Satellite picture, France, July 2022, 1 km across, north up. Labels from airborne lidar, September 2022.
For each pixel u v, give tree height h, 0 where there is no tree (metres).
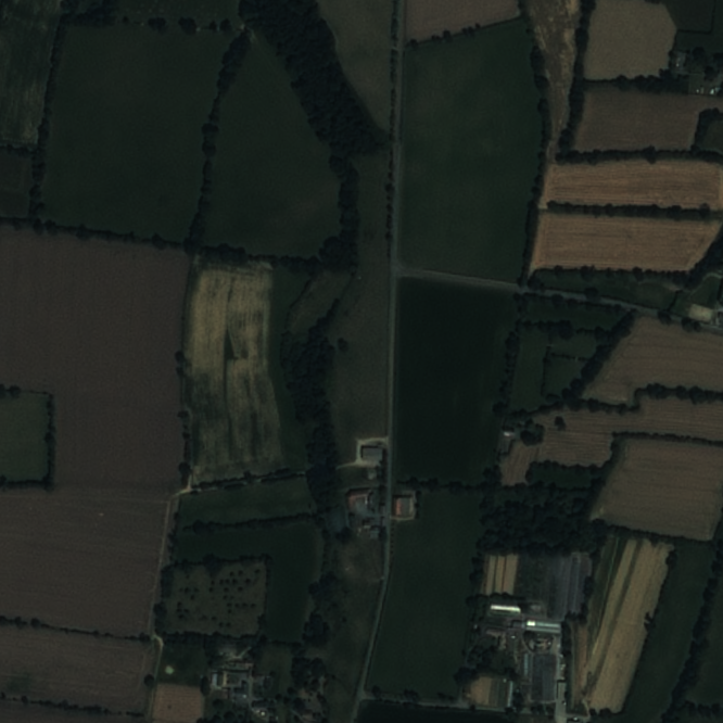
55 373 0
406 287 0
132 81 0
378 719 0
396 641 0
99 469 0
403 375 0
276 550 0
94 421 0
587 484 0
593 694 0
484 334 0
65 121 0
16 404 0
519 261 0
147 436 0
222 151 0
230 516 0
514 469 0
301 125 0
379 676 0
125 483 0
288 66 6
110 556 0
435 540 0
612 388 0
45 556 0
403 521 0
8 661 0
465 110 0
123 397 0
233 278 0
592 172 0
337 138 14
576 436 0
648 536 9
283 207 0
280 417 0
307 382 13
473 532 0
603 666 0
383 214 0
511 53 0
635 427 0
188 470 15
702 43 0
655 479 0
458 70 0
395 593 0
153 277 0
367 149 12
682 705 20
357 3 0
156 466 0
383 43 0
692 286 13
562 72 0
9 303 0
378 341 0
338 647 0
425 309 0
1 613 0
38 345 0
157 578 0
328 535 10
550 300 6
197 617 0
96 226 0
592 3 17
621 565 0
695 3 0
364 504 0
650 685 0
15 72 0
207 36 0
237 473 0
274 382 0
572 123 10
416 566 0
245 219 0
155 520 0
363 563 0
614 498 0
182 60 0
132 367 0
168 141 0
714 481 0
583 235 0
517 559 0
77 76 0
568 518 10
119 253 0
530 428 16
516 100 0
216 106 8
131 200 0
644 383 0
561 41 0
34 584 0
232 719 13
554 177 0
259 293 0
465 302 0
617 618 0
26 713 0
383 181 0
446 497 0
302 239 0
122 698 0
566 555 15
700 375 0
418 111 0
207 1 0
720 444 7
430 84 0
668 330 0
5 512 0
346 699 0
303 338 0
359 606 0
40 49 0
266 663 0
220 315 0
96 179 0
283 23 30
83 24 13
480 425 0
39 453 0
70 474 0
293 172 0
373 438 0
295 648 14
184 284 0
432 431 0
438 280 0
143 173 0
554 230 0
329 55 17
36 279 0
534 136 0
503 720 0
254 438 0
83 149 0
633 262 0
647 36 0
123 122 0
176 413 0
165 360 0
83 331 0
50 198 0
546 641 0
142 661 0
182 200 0
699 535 0
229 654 0
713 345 0
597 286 0
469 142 0
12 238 0
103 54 0
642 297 0
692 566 0
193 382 0
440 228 0
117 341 0
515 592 0
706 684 0
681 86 9
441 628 0
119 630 0
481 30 10
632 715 0
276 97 0
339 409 0
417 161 0
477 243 0
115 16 14
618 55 0
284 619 0
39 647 0
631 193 0
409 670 0
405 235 0
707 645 20
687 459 0
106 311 0
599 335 15
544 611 0
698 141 11
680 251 0
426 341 0
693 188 0
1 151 9
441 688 0
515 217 0
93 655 0
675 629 0
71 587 0
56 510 0
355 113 19
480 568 11
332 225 0
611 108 0
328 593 24
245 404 0
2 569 0
